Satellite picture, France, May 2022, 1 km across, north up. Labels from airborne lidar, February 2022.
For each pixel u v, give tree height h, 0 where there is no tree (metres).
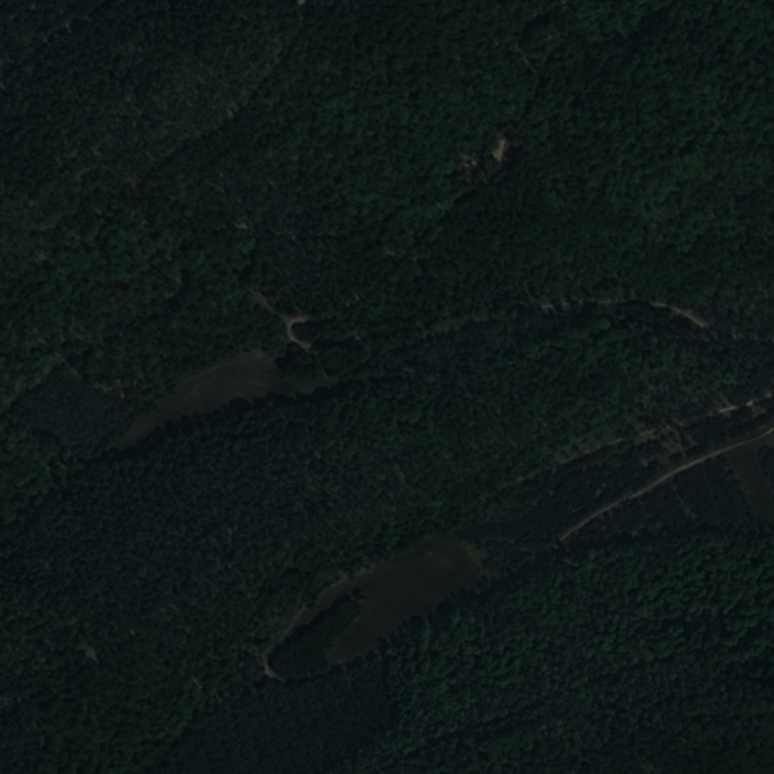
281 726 15
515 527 8
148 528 28
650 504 10
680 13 30
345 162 26
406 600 0
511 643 30
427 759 27
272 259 32
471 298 25
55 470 36
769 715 26
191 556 27
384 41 30
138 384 28
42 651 27
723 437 8
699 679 28
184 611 23
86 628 23
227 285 32
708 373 24
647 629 31
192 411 0
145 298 26
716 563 30
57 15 27
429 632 28
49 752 24
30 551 26
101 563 26
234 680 27
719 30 32
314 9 22
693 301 28
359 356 28
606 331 29
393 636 0
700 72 32
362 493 24
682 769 21
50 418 15
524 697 29
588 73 32
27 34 26
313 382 0
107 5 18
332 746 17
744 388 25
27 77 23
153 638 22
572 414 26
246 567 25
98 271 28
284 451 29
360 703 16
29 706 26
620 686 29
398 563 0
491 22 30
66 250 26
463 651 29
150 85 23
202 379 0
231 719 16
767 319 30
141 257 32
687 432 8
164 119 21
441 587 0
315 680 15
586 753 28
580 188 29
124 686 22
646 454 7
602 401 28
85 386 15
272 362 0
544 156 27
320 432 29
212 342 25
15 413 14
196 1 17
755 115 27
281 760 17
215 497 26
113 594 26
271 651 0
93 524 25
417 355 20
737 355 27
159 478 27
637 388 27
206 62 24
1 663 26
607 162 23
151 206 24
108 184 22
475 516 16
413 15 29
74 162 24
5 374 26
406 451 28
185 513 24
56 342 23
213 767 17
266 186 25
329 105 23
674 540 31
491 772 30
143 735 33
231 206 23
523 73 26
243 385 0
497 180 29
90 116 23
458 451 24
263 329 10
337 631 17
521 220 28
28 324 21
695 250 26
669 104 27
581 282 28
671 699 26
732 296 29
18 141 24
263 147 24
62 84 26
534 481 8
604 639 28
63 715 25
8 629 29
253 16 24
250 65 21
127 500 26
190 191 24
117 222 28
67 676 25
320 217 25
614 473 9
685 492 9
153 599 23
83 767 30
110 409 18
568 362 27
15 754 18
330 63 25
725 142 28
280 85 23
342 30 25
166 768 19
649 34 34
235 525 30
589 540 6
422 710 28
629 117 31
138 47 23
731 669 10
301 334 9
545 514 9
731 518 8
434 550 0
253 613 37
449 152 27
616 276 29
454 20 29
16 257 23
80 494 30
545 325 21
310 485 29
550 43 30
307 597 10
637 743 27
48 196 24
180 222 28
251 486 28
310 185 23
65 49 24
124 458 26
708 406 24
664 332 27
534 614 30
